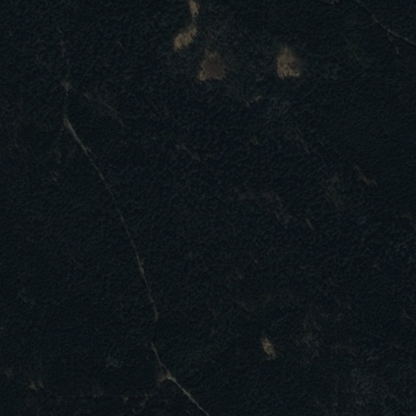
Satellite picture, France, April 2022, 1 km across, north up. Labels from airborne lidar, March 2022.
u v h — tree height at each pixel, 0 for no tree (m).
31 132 9
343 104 14
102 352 15
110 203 31
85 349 21
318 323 23
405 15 31
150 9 11
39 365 23
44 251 23
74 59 35
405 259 8
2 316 22
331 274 17
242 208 16
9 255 24
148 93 10
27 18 33
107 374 17
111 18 11
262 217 36
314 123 34
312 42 12
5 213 28
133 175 28
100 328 15
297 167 23
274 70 19
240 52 27
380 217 20
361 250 34
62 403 13
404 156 18
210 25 14
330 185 35
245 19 18
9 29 28
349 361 20
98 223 27
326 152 20
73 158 6
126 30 32
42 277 27
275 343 22
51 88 30
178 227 32
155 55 26
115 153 12
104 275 30
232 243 31
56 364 22
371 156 17
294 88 8
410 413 25
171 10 31
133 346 13
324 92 14
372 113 10
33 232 31
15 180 29
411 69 22
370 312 26
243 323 7
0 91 26
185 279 29
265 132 21
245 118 30
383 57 14
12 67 13
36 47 34
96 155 13
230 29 20
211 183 7
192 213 34
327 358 25
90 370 11
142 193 27
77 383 16
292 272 9
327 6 17
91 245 28
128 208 29
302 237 16
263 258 29
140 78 8
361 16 25
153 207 31
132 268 24
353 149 21
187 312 8
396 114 18
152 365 18
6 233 25
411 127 21
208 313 26
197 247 30
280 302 20
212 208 11
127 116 7
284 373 22
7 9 30
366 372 24
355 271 23
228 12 19
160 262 26
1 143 31
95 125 18
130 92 7
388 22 17
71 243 8
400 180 19
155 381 21
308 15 18
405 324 16
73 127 10
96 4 13
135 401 19
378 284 21
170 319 10
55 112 28
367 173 26
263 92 23
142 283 25
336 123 25
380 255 35
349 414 19
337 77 30
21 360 26
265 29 32
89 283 28
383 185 22
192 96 15
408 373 19
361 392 26
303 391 23
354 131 12
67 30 11
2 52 26
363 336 29
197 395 20
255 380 26
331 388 16
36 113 36
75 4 31
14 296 22
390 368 21
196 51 22
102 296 30
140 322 28
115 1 21
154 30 12
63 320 22
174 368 23
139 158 17
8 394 21
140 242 28
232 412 20
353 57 7
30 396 22
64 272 26
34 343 22
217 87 12
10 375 20
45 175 27
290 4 21
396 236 26
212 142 11
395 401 10
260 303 7
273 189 23
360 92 10
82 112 15
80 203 32
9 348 24
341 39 10
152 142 18
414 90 24
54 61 30
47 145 12
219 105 36
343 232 8
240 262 27
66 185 31
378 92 13
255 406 26
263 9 29
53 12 36
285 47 10
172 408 14
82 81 15
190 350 17
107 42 27
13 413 20
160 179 34
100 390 18
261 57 31
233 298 27
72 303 19
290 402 26
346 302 23
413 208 20
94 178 27
